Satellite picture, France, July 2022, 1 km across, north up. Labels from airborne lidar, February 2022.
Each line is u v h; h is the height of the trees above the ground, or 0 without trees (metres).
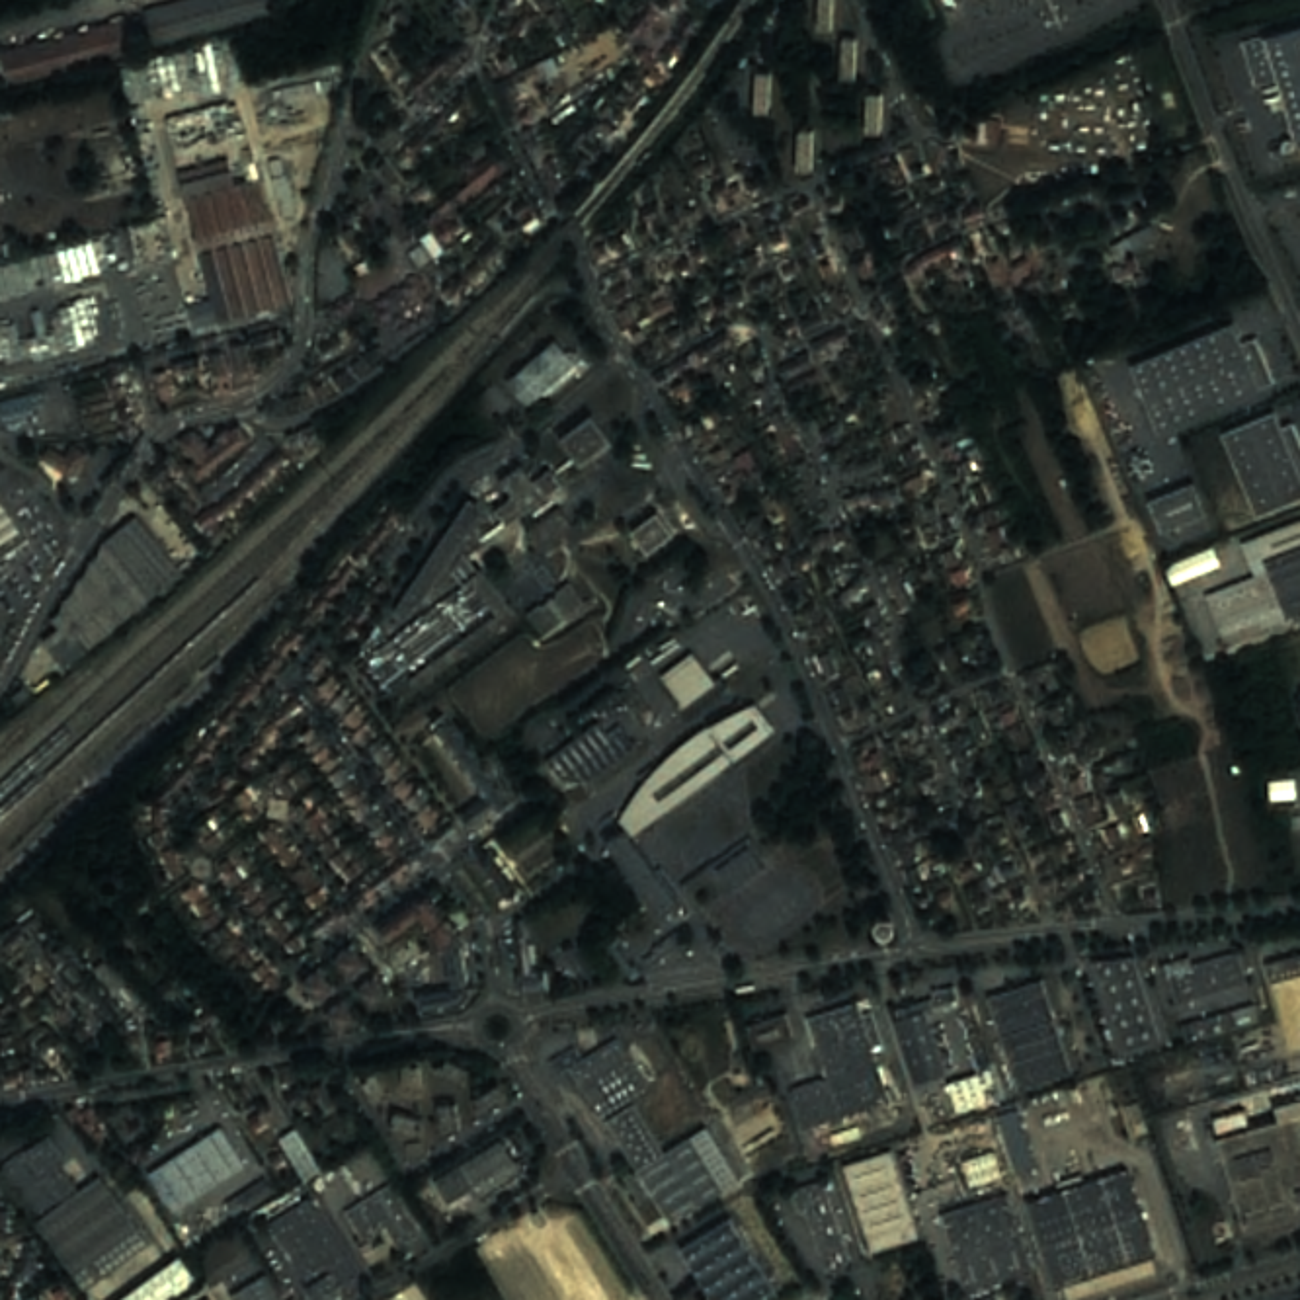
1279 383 0
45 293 0
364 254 6
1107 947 8
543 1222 0
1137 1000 0
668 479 0
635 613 0
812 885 0
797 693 11
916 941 0
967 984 9
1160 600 0
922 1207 0
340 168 0
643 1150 0
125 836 18
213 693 13
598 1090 0
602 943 12
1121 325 16
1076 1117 0
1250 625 0
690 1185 0
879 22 20
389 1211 0
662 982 0
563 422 0
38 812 0
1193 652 8
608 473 0
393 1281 0
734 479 0
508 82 0
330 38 7
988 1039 0
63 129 0
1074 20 0
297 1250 0
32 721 0
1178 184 0
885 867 0
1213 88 0
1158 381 0
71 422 0
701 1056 0
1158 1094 0
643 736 0
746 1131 0
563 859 15
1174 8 0
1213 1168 0
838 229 8
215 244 0
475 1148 10
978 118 10
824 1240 0
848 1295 14
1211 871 0
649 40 0
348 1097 7
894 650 0
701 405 6
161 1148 0
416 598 0
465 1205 0
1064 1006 0
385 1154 13
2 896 9
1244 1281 0
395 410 0
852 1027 0
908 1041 0
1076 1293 0
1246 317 0
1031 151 0
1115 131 0
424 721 0
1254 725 6
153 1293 0
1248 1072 0
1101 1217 0
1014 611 0
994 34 0
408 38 16
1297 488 0
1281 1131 0
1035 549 7
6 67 0
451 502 8
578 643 0
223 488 0
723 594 0
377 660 0
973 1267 0
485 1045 0
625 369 0
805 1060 0
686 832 0
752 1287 0
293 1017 11
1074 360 8
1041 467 0
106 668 0
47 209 0
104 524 0
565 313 14
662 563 8
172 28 0
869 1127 0
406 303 0
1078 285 12
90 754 0
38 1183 0
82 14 0
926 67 12
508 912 0
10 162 0
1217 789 0
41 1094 0
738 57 12
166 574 0
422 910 0
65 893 6
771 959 0
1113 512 0
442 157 7
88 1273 0
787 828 15
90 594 0
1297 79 0
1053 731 12
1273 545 0
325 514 0
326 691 0
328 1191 0
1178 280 0
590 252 0
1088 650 0
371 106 9
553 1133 0
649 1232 0
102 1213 0
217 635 0
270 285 0
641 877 0
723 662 0
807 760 18
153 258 0
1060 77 10
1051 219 7
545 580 0
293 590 7
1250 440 0
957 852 17
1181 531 0
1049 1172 0
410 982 0
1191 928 8
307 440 0
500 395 0
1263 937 15
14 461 0
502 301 0
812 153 0
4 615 0
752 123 16
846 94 13
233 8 0
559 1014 0
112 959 12
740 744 0
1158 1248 0
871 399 8
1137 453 0
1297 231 0
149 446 0
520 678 0
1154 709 0
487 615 0
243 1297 0
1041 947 11
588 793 0
